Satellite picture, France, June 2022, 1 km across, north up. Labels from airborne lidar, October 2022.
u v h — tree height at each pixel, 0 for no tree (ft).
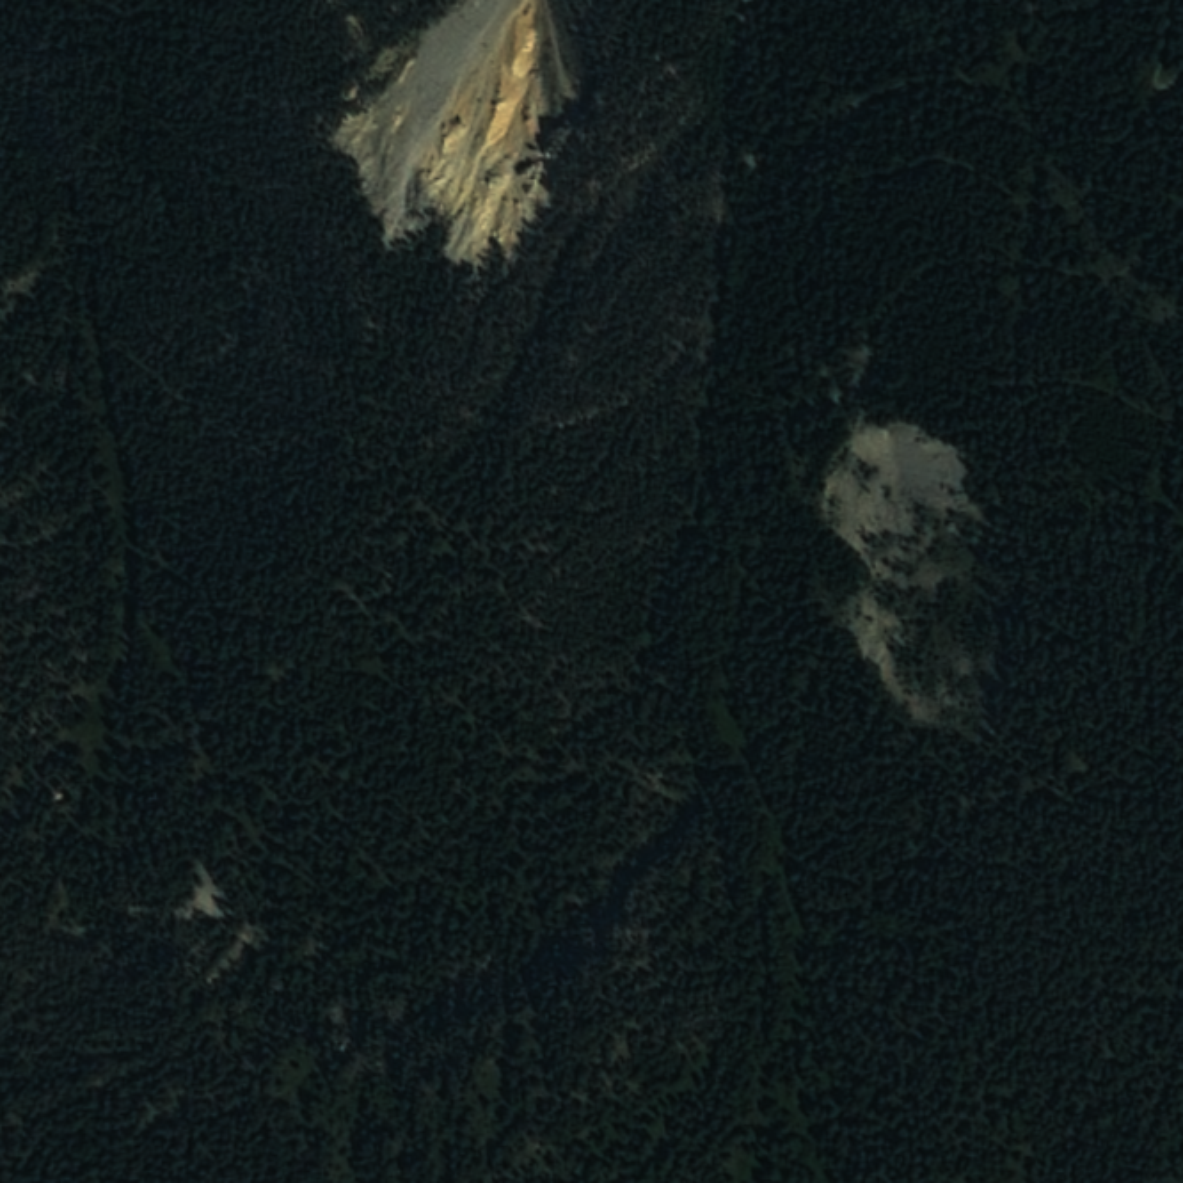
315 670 61
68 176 43
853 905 68
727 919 109
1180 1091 56
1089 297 50
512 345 33
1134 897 88
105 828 48
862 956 66
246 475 70
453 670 56
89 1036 53
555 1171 70
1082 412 85
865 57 58
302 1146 52
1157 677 94
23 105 43
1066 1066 99
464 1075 52
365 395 65
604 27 24
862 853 72
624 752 46
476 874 44
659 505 61
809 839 68
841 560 44
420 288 63
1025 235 27
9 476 70
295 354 43
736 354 94
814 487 45
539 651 86
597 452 61
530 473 49
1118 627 92
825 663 87
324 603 102
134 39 77
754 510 81
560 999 49
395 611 82
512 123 0
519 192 0
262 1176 83
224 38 60
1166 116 77
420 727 92
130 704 57
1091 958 70
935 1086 74
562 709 77
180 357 43
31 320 93
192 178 58
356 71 37
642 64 53
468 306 61
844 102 22
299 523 70
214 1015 47
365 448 65
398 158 0
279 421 40
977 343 70
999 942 72
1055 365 90
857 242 63
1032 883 78
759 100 95
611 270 50
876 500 0
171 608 81
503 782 70
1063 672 80
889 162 60
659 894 82
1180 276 70
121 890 83
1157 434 24
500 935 47
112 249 62
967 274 79
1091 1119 66
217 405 50
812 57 50
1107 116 90
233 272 60
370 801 106
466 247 0
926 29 89
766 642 75
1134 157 52
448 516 74
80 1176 72
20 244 38
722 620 109
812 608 58
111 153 101
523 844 30
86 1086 59
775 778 79
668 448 32
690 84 32
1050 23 92
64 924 23
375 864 32
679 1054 78
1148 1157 59
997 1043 59
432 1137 66
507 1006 66
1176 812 91
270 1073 61
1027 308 25
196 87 35
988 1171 78
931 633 39
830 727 65
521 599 63
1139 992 78
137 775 96
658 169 22
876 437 0
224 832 98
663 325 23
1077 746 62
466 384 43
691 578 77
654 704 45
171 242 69
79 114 38
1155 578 31
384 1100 37
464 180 0
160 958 44
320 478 62
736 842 115
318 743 20
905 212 47
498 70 0
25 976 66
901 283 45
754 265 63
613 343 67
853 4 48
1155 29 68
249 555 72
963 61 65
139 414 57
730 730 0
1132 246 74
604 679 51
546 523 57
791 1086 49
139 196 98
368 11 42
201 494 59
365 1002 58
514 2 0
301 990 55
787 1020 64
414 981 50
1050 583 82
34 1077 28
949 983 72
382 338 72
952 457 0
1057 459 91
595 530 55
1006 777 69
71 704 79
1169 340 48
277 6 45
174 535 100
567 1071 62
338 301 50
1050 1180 40
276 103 46
